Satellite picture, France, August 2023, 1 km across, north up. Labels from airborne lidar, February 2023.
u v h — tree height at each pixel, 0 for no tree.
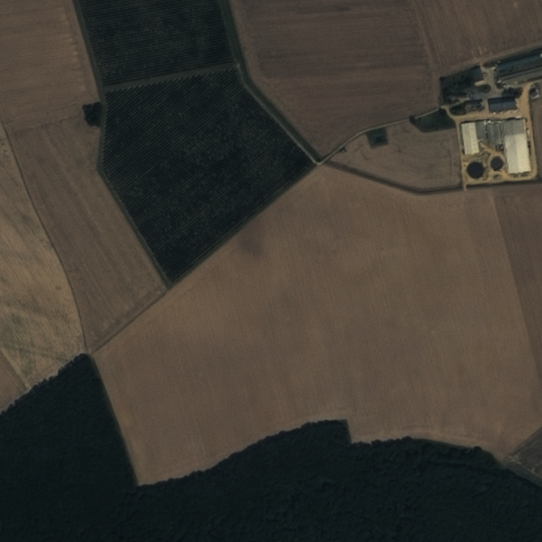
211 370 0
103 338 0
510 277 0
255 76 0
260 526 27
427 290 0
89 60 0
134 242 0
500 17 0
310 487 31
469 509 25
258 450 20
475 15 0
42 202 0
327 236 0
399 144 0
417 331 0
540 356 0
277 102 0
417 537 30
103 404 18
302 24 0
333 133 0
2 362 0
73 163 0
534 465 0
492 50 0
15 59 0
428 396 0
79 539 27
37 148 0
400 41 0
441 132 0
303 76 0
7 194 0
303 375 0
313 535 22
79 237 0
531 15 0
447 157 0
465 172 0
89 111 8
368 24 0
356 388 0
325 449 22
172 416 0
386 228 0
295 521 25
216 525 27
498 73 0
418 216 0
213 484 22
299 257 0
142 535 20
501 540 23
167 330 0
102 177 0
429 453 20
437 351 0
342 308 0
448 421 0
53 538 19
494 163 0
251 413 0
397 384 0
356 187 0
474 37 0
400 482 27
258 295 0
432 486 28
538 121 0
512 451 0
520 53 0
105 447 22
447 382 0
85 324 0
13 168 0
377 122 0
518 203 0
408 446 18
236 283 0
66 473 22
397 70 0
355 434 0
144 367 0
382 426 0
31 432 22
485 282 0
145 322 0
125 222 0
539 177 0
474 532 26
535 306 0
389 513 29
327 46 0
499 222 0
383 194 0
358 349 0
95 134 0
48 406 22
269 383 0
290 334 0
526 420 0
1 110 0
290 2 0
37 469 22
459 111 11
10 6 0
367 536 16
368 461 11
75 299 0
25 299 0
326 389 0
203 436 0
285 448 21
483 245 0
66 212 0
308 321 0
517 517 25
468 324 0
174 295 0
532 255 0
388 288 0
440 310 0
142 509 26
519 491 31
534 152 0
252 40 0
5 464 21
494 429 0
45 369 0
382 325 0
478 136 0
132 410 0
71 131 0
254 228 0
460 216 0
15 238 0
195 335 0
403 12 0
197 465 0
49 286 0
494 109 0
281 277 0
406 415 0
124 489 24
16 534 25
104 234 0
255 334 0
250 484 22
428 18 0
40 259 0
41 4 0
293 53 0
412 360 0
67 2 0
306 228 0
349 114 0
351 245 0
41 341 0
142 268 0
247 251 0
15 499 22
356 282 0
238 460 19
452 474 28
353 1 0
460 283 0
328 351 0
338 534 24
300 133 0
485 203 0
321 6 0
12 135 0
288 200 0
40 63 0
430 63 0
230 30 0
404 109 0
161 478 0
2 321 0
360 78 0
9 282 0
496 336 0
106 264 0
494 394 0
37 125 0
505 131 0
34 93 0
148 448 0
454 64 0
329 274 0
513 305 0
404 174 0
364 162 0
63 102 0
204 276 0
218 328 0
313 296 0
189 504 22
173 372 0
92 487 21
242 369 0
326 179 0
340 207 0
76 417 21
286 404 0
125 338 0
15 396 0
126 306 0
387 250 0
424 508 28
